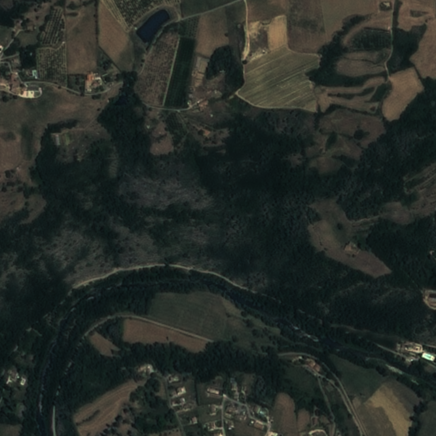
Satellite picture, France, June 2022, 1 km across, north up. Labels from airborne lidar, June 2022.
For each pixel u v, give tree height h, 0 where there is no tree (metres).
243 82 7
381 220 10
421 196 0
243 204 8
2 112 0
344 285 11
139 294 19
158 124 0
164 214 11
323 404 13
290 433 0
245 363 15
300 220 21
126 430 0
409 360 0
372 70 0
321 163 0
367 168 7
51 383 17
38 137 0
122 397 0
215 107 0
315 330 23
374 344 14
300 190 10
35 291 13
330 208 0
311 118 0
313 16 0
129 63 0
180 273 9
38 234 9
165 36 0
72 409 9
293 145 9
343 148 0
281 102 0
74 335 17
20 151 0
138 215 7
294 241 8
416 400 0
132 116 11
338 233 0
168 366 16
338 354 7
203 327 0
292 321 19
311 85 0
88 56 0
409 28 0
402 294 9
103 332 13
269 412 0
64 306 7
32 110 0
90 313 12
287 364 10
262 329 0
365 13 0
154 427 13
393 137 17
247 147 7
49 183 19
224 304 0
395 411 0
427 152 11
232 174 16
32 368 23
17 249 12
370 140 0
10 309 8
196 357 15
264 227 6
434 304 0
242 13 0
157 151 0
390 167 16
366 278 12
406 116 10
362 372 0
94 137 0
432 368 0
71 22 0
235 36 0
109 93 0
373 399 0
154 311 0
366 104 0
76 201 13
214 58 13
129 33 0
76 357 18
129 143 11
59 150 8
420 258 7
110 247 8
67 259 9
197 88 0
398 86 0
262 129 14
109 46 0
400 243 17
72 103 0
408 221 0
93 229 12
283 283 13
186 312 0
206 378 12
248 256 9
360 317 19
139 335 0
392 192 10
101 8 0
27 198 11
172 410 14
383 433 0
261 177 8
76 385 13
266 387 13
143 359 15
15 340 13
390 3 0
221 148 9
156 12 0
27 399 7
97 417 0
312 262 13
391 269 7
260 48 0
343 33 10
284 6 0
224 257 6
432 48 0
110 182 10
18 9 10
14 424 11
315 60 0
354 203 10
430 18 0
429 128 8
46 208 10
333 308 9
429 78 7
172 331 0
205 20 0
